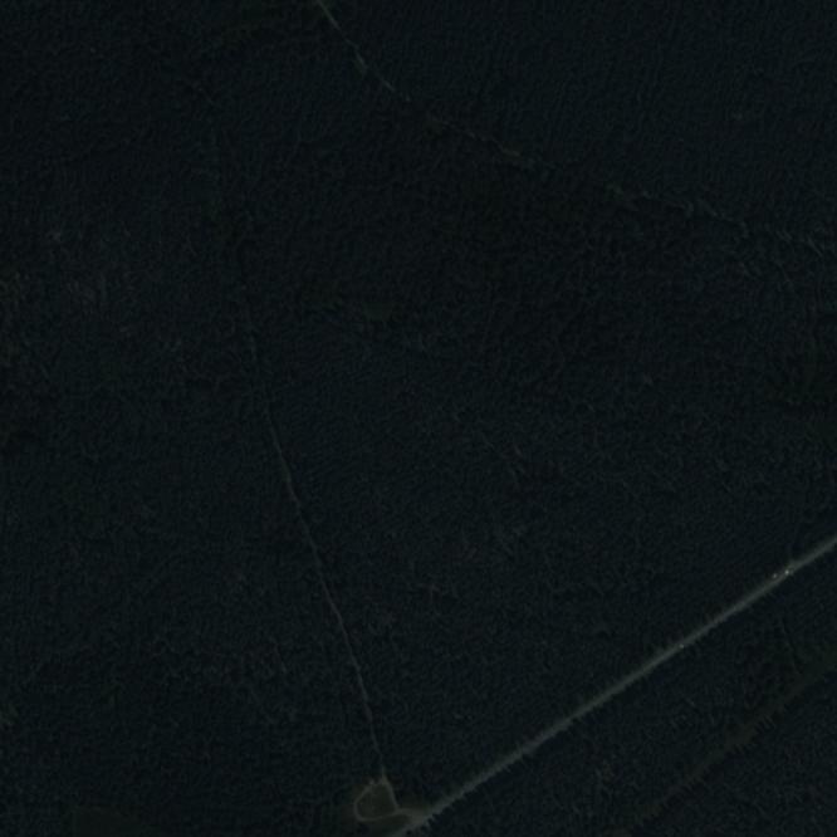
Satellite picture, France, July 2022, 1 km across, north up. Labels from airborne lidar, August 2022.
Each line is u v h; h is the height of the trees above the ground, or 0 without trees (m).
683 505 21
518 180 23
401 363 25
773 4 28
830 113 26
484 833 15
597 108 29
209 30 28
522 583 25
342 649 20
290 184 24
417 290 18
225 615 26
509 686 24
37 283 26
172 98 27
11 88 25
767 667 18
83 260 22
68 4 28
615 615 24
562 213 11
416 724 21
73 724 20
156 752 21
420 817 0
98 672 22
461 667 24
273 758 18
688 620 25
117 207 27
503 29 28
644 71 29
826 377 7
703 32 26
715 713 17
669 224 22
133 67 11
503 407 22
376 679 24
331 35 29
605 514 20
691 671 23
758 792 19
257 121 29
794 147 31
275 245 22
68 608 27
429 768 20
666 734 20
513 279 10
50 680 25
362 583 23
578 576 22
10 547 29
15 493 28
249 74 29
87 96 26
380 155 18
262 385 24
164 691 17
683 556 21
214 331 27
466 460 21
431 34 29
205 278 31
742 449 21
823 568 23
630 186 24
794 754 17
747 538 24
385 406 26
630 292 20
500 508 20
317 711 6
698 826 19
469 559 22
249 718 24
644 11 26
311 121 32
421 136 9
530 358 24
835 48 25
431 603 20
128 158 25
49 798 24
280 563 30
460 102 19
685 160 24
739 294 28
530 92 27
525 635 21
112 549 27
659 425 13
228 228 9
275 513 26
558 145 28
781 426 27
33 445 28
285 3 22
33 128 23
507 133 27
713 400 21
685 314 22
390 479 24
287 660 20
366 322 20
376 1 23
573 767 23
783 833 22
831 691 22
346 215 19
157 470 25
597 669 24
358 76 26
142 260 27
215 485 27
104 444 30
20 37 27
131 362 27
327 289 11
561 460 18
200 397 26
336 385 25
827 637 21
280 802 18
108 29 26
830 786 20
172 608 28
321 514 24
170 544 28
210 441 27
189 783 24
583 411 26
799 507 23
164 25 24
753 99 28
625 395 20
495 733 24
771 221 23
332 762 24
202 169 27
